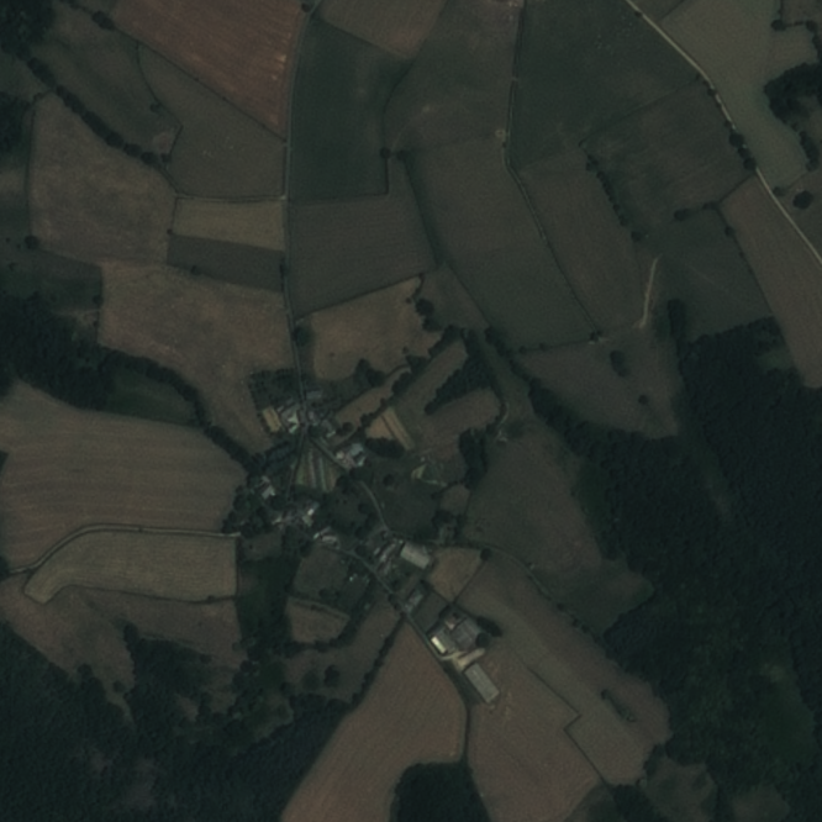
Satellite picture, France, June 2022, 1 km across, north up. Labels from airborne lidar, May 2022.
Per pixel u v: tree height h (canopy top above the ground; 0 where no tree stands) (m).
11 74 0
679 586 11
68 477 0
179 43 0
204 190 0
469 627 0
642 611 16
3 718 11
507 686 0
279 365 0
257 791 14
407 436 0
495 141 0
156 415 0
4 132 20
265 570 0
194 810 10
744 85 0
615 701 6
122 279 0
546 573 0
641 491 24
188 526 0
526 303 0
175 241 0
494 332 11
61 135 0
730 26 0
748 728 17
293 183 0
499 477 0
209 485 0
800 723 0
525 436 0
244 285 0
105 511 0
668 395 0
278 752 26
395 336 0
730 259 0
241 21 0
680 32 0
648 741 0
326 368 0
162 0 0
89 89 0
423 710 0
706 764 6
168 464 0
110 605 0
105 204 0
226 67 0
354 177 0
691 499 14
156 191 0
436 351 12
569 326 0
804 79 8
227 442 10
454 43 0
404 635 0
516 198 0
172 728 12
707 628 17
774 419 22
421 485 0
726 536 11
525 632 0
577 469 0
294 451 15
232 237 0
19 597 0
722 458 18
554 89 0
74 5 16
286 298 0
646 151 0
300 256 0
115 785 13
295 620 0
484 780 0
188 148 0
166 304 0
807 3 0
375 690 0
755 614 12
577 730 0
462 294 0
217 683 0
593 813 0
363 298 0
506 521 0
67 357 21
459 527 7
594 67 0
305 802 0
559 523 0
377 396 0
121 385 0
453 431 0
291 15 0
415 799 14
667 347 0
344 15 0
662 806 0
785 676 0
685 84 0
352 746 0
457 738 0
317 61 0
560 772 0
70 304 0
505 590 0
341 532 7
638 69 0
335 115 0
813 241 0
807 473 18
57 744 11
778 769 16
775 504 23
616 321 0
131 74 0
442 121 0
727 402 13
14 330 25
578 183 0
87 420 0
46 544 0
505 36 0
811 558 16
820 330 0
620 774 0
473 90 0
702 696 19
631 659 15
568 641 0
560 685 0
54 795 12
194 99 0
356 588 0
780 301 0
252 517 7
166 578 0
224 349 0
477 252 0
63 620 0
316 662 0
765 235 0
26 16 20
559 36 0
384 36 0
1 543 0
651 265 0
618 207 10
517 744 0
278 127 0
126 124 0
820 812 19
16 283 0
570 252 0
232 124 0
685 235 0
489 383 11
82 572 0
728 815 20
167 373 14
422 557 0
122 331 0
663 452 13
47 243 0
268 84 0
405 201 0
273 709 0
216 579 0
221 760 24
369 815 0
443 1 0
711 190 0
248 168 0
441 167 0
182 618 0
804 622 22
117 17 0
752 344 17
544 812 0
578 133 0
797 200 12
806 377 0
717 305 0
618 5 0
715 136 0
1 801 10
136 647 13
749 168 11
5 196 0
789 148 0
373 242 0
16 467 0
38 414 0
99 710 13
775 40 0
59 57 0
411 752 0
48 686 8
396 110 0
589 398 0
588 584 0
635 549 16
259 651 15
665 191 0
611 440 12
